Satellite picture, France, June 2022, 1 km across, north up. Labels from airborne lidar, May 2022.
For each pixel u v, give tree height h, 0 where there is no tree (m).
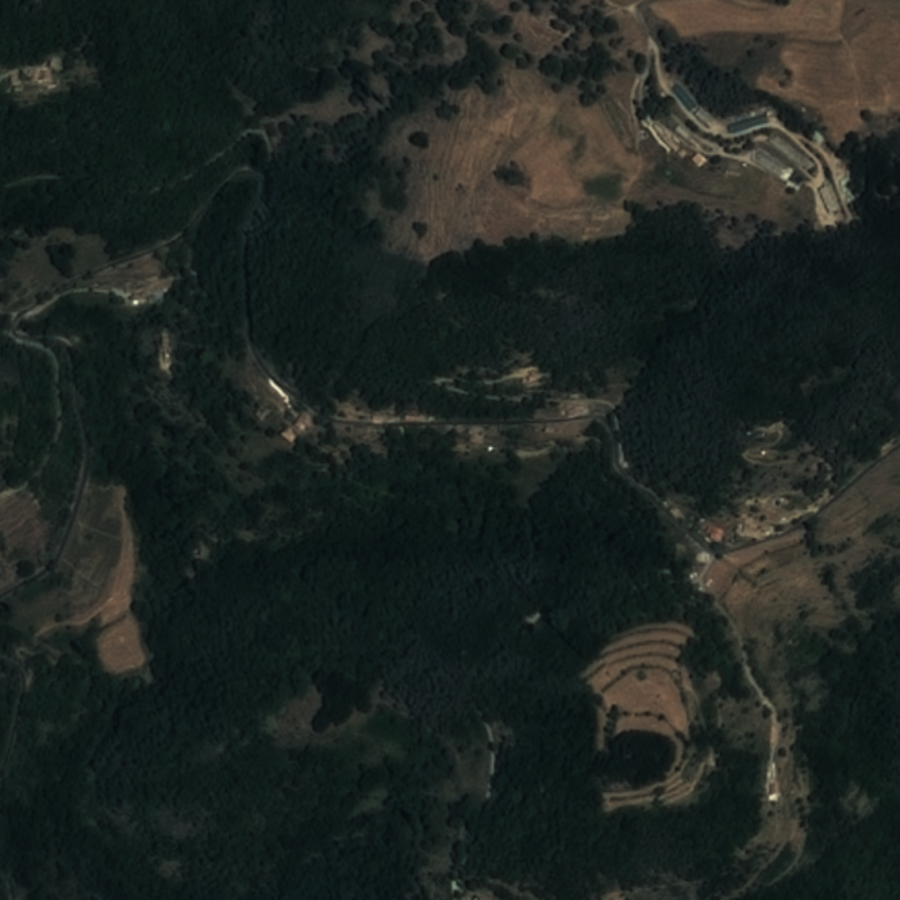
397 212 0
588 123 0
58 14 6
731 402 12
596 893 8
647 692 0
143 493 24
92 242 0
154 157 12
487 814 14
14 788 9
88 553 0
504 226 0
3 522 0
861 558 0
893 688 9
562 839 10
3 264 10
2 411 11
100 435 9
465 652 16
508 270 15
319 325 12
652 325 12
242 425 7
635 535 15
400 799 7
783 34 0
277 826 7
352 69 27
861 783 9
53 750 8
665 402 12
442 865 0
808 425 11
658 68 0
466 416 7
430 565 21
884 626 15
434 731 13
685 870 18
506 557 17
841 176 0
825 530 0
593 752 8
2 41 15
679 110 0
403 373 13
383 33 14
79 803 9
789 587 0
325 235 12
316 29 11
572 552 25
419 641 19
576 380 15
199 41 17
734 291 10
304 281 15
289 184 24
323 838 14
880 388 11
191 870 9
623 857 15
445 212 0
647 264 15
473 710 16
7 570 0
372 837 7
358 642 13
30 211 12
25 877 17
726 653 10
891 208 13
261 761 7
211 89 23
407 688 12
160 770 11
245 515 14
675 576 9
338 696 21
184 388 11
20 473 13
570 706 8
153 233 13
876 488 0
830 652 8
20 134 14
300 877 14
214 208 11
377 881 9
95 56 14
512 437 8
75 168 13
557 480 20
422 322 11
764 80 0
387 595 17
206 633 13
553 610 13
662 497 12
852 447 6
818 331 17
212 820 7
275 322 18
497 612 18
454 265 18
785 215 0
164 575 26
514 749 15
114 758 9
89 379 11
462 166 0
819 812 10
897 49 0
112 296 6
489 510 15
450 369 12
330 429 10
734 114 11
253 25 6
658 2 0
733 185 0
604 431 7
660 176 0
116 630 0
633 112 0
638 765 15
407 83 16
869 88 0
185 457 20
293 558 21
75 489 14
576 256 8
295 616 17
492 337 13
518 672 16
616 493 14
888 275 19
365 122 8
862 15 0
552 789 14
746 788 10
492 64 19
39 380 9
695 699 0
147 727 11
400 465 16
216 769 7
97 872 11
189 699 16
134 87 15
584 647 18
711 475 7
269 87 14
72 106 13
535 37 0
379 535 21
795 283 18
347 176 9
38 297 10
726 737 11
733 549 0
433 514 18
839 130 0
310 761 16
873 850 16
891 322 19
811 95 0
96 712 16
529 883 9
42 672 13
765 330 14
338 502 8
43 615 0
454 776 7
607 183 0
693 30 0
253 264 14
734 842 16
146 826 9
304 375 10
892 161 12
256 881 12
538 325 15
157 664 17
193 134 13
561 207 0
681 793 0
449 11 13
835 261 14
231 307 8
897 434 10
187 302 12
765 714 5
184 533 16
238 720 14
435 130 0
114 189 14
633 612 11
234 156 10
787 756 12
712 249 16
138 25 18
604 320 13
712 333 11
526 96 0
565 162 0
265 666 14
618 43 5
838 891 13
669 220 15
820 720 9
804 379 8
